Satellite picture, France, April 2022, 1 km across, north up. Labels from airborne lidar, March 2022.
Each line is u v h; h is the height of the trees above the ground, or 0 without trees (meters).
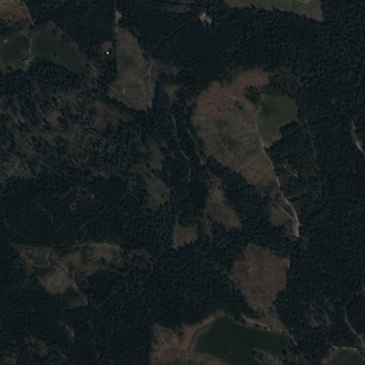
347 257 23
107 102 21
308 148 16
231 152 0
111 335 21
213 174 19
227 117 0
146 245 16
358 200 22
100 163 34
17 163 0
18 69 0
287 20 25
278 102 0
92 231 21
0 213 13
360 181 19
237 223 0
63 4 23
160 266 20
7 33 16
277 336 0
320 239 23
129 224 15
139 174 0
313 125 15
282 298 23
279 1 0
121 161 31
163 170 0
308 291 21
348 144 20
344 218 26
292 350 19
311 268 19
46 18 15
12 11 0
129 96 0
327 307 16
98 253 0
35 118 25
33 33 18
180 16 15
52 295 7
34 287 25
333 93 21
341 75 26
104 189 26
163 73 0
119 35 0
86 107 20
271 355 0
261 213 21
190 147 12
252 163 0
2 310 24
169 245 25
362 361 0
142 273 8
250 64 27
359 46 8
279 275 0
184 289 25
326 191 15
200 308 25
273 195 0
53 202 14
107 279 8
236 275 0
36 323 20
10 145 13
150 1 27
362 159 20
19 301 19
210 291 26
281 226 0
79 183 23
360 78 41
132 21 22
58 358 23
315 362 10
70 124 0
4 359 27
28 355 10
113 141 27
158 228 15
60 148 6
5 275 19
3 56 0
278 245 26
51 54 0
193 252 27
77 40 20
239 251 28
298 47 25
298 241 15
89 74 12
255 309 0
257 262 0
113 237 20
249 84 0
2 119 9
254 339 0
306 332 23
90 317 21
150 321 20
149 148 21
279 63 26
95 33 16
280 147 23
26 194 12
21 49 0
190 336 0
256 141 0
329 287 21
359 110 24
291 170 0
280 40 28
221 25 15
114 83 17
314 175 0
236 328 0
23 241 14
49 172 26
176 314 22
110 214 22
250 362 0
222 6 28
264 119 0
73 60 0
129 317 22
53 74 20
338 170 20
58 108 28
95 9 17
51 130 14
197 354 0
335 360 0
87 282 7
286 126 0
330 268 28
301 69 27
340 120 29
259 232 27
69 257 0
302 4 0
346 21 27
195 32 16
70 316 16
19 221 12
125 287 35
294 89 8
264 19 24
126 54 0
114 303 19
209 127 0
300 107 15
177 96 8
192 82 15
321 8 0
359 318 23
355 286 25
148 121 19
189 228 23
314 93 23
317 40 27
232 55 15
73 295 15
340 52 21
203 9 27
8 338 11
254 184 0
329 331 24
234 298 24
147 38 18
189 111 10
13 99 15
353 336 23
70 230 10
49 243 8
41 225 12
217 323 0
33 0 26
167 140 18
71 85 33
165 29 19
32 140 0
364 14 10
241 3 0
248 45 26
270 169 0
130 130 31
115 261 0
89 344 12
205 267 21
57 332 16
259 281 0
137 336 17
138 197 25
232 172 20
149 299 19
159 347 0
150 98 0
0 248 17
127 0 20
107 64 10
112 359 18
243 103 7
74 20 19
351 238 25
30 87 27
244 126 0
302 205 6
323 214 25
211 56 18
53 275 0
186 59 17
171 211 20
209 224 0
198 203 22
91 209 7
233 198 22
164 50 16
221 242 25
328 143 20
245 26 15
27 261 0
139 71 0
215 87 0
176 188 20
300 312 23
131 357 22
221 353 0
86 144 0
